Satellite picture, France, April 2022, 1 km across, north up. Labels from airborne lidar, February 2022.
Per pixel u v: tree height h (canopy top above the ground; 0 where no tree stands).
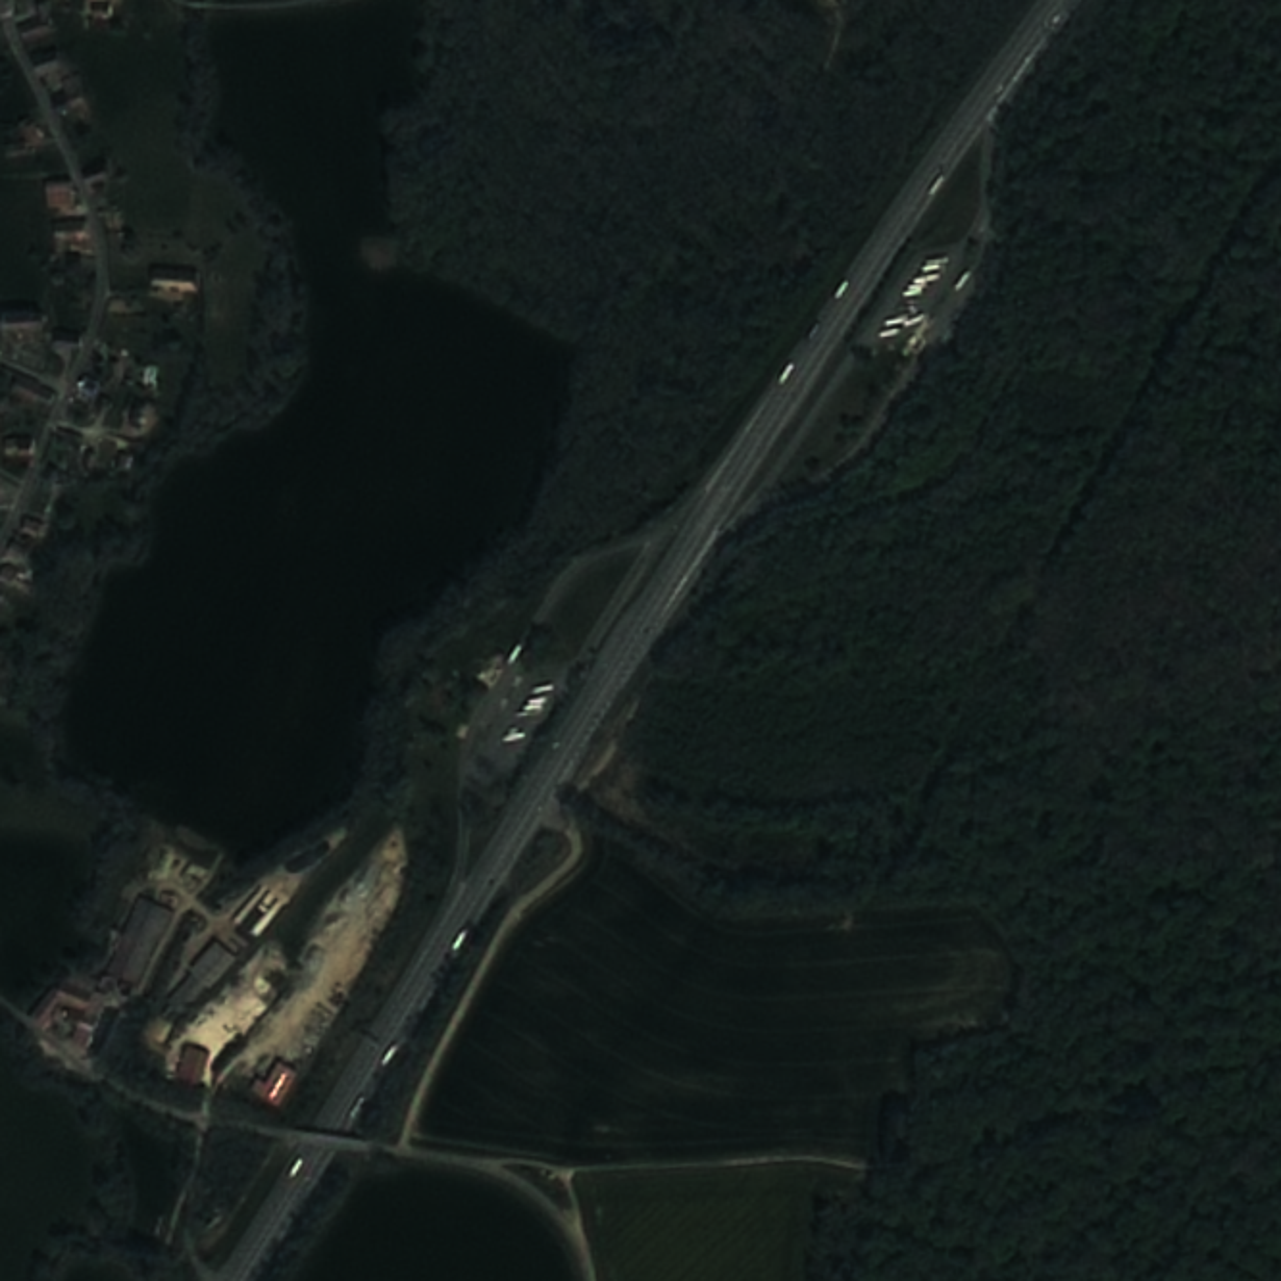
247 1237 0
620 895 0
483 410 0
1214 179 27
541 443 0
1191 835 25
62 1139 0
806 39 22
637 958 0
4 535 0
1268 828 29
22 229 0
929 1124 24
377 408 0
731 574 15
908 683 11
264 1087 0
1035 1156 24
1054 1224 24
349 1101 0
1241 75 26
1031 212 22
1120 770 23
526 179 23
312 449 0
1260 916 22
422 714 0
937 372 18
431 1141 0
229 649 0
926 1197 23
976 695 6
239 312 0
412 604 0
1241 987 26
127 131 0
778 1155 0
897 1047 0
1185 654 27
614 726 0
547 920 0
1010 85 0
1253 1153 30
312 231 0
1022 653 20
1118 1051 26
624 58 10
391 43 0
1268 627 29
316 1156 0
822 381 0
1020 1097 28
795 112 24
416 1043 19
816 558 25
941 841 22
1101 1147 25
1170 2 21
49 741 18
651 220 24
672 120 18
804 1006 0
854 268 0
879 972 0
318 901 0
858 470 10
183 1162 14
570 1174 0
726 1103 0
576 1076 0
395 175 22
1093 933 26
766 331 18
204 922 0
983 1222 27
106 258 0
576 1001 0
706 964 0
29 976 0
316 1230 13
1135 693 25
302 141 0
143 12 0
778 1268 0
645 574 0
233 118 0
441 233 26
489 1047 0
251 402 20
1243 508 22
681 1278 0
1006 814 30
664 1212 0
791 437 0
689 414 22
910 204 0
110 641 0
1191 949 24
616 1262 0
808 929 0
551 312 24
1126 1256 21
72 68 11
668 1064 0
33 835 0
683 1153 0
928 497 11
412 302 0
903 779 7
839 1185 0
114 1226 21
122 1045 22
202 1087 9
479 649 0
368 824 0
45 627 21
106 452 0
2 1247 0
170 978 0
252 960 0
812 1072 0
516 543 12
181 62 0
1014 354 16
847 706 8
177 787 0
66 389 0
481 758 0
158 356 15
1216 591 20
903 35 26
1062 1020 22
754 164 26
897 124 16
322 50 0
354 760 0
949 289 0
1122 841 27
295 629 0
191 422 17
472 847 0
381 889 0
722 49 17
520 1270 0
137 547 21
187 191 0
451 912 0
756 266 25
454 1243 0
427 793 0
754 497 0
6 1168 0
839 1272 22
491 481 0
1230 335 25
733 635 23
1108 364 24
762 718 10
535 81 24
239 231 11
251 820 0
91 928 15
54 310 0
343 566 0
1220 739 27
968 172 0
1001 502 24
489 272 20
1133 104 24
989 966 0
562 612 0
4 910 0
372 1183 0
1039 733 23
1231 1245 23
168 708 0
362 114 0
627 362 31
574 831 0
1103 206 30
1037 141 25
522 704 0
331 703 0
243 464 0
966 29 18
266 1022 0
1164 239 25
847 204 18
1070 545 19
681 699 11
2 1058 0
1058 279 21
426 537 0
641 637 0
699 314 33
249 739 0
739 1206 0
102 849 19
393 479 0
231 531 0
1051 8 0
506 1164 0
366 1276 0
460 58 22
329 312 0
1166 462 20
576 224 22
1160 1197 24
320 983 0
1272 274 33
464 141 26
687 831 0
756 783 8
